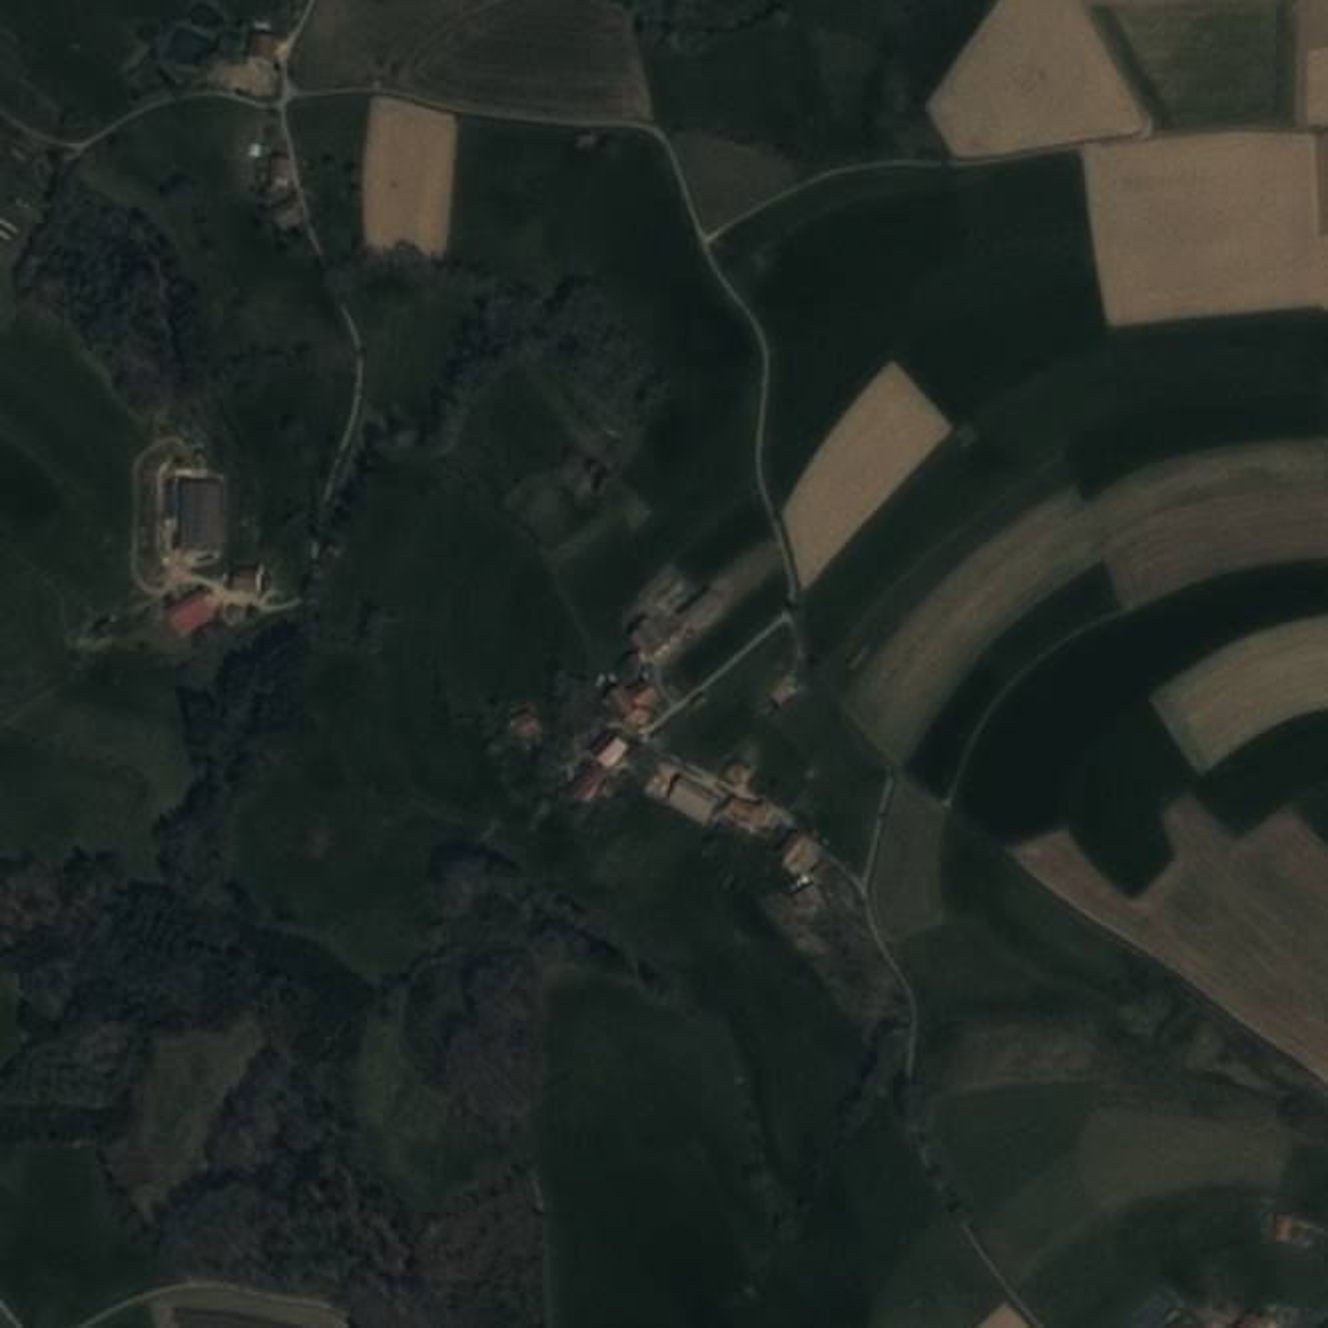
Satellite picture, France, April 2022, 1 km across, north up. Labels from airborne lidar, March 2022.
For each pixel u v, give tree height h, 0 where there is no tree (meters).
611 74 0
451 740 0
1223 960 0
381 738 0
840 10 0
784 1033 0
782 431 0
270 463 0
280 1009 22
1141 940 0
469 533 0
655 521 0
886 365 0
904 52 0
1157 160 0
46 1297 0
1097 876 0
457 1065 26
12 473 0
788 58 0
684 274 0
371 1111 0
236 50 12
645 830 0
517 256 0
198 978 32
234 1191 28
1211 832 0
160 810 0
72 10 0
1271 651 0
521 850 0
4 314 0
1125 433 0
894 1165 0
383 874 0
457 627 0
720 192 0
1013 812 0
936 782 0
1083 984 0
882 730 0
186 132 0
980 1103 0
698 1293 0
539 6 0
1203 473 0
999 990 0
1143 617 0
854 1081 0
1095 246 0
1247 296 0
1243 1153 0
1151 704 0
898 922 0
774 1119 0
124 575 0
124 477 0
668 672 0
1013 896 0
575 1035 0
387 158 0
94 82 0
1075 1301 0
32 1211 0
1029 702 0
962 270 0
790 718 0
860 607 0
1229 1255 0
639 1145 0
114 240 12
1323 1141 0
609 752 0
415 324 0
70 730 0
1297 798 0
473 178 0
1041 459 0
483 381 26
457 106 0
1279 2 0
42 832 0
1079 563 0
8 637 0
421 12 0
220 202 0
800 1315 0
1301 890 0
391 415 0
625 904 0
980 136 0
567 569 0
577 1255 0
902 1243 0
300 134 0
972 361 0
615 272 0
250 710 29
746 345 0
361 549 0
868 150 0
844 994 0
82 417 0
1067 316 0
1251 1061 0
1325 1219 0
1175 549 0
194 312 17
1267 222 0
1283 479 0
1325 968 0
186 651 0
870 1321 0
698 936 0
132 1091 14
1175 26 0
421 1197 0
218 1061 0
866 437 0
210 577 0
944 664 0
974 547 0
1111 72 0
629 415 0
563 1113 0
